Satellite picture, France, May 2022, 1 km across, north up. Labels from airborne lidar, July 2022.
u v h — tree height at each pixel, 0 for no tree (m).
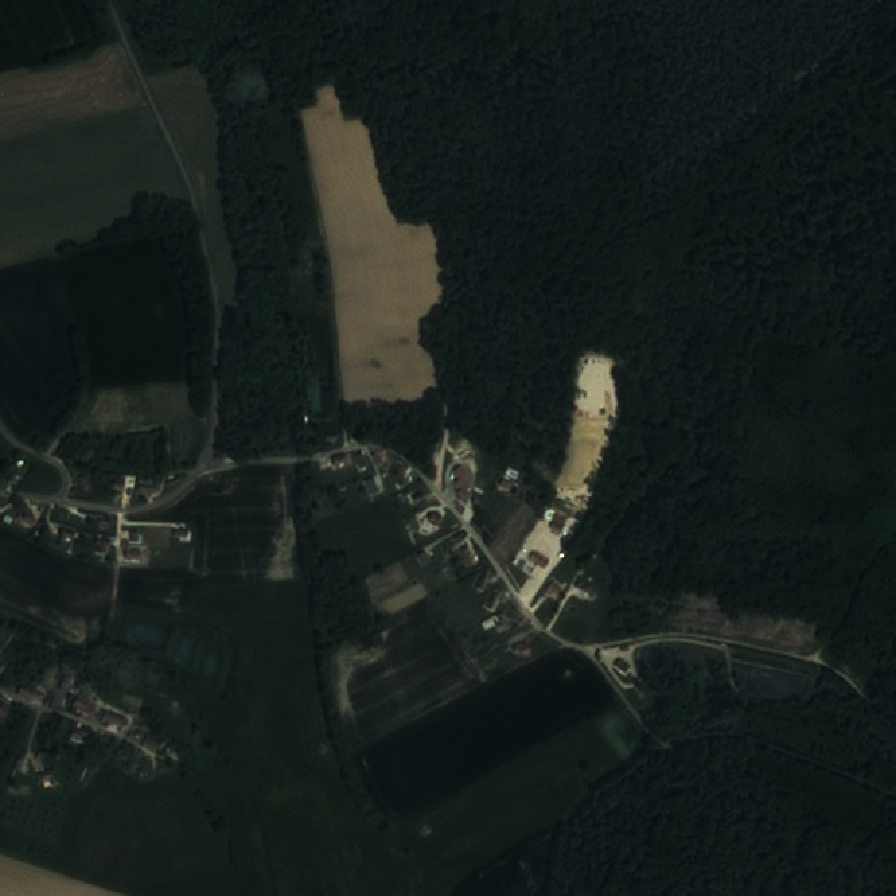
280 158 0
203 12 28
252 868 0
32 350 0
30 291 0
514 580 0
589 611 0
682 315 33
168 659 0
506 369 24
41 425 0
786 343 6
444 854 0
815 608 25
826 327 23
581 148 23
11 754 7
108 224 0
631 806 28
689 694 24
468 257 25
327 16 25
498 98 23
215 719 0
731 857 28
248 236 25
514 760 0
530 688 0
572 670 0
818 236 23
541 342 6
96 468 7
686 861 22
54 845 0
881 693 25
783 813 23
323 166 0
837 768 7
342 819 0
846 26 20
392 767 0
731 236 17
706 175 25
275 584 0
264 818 0
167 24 27
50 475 0
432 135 23
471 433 29
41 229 0
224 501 0
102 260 0
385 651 0
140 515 0
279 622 0
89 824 0
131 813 0
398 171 25
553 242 25
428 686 0
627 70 27
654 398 31
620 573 26
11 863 0
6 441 0
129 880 0
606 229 20
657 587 23
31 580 0
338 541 0
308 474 12
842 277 27
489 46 32
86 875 0
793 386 9
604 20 24
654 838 27
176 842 0
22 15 0
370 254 0
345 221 0
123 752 7
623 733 0
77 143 0
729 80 31
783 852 27
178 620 0
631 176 21
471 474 0
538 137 22
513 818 0
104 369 0
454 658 0
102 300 0
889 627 6
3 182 0
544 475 0
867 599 10
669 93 33
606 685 0
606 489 22
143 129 0
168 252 16
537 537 0
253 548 0
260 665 0
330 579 23
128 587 0
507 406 27
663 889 27
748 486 11
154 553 0
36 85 0
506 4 29
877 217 28
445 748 0
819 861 28
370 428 26
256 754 0
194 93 0
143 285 0
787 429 17
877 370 9
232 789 0
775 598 31
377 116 18
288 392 23
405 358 0
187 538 0
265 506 0
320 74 22
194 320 16
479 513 22
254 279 24
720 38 24
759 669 0
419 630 0
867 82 19
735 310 31
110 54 0
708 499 29
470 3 30
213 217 0
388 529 0
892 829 20
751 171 26
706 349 33
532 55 34
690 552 28
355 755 0
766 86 24
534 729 0
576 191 25
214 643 0
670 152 29
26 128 0
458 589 0
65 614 0
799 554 25
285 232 17
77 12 0
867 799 15
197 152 0
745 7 20
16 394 0
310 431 15
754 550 21
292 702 0
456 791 0
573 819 14
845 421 14
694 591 23
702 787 25
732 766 26
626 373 9
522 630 0
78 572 0
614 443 23
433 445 11
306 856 0
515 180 28
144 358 0
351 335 0
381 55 34
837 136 29
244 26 30
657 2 24
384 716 0
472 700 0
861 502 11
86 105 0
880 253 27
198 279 22
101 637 7
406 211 25
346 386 0
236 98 0
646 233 28
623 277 31
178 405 0
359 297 0
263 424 29
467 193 22
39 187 0
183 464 9
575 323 27
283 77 21
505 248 28
